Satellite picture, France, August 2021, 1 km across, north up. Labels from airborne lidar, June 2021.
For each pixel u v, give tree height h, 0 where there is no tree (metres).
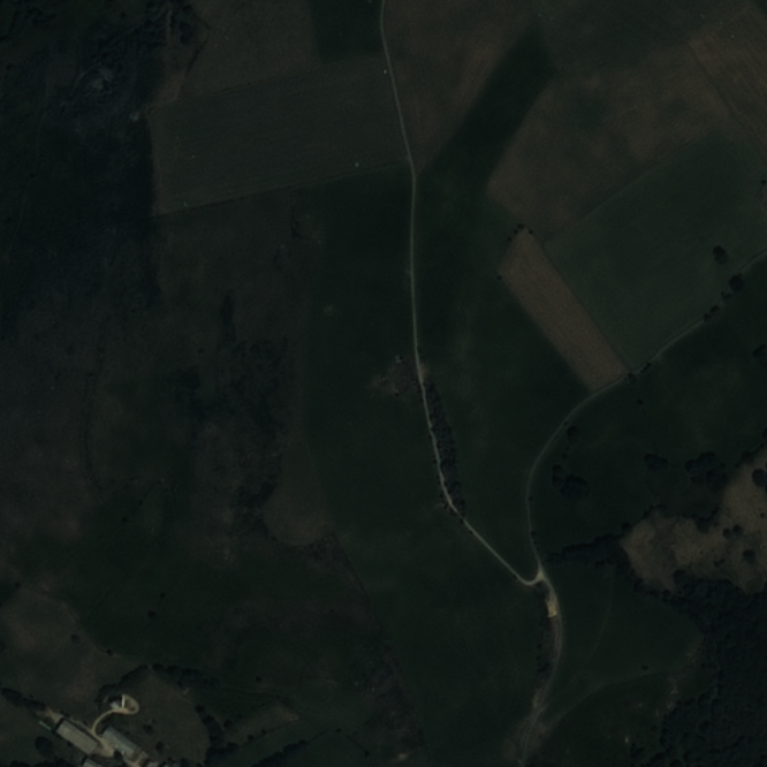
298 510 0
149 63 0
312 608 0
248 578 0
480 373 0
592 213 0
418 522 0
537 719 0
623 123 0
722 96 0
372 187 0
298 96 0
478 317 0
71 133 0
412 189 0
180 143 0
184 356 0
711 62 0
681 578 15
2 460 0
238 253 0
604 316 0
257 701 0
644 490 0
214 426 0
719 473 12
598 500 0
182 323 0
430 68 0
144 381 0
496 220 0
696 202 0
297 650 0
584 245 0
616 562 15
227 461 0
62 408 0
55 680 0
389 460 0
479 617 0
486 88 0
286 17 0
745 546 0
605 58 0
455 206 0
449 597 0
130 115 0
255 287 0
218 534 0
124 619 0
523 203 0
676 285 0
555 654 0
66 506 0
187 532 0
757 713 18
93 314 0
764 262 0
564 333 0
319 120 0
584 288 0
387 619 0
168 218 0
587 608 0
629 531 13
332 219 0
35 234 0
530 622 0
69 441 0
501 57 0
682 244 0
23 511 0
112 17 0
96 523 0
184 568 0
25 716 0
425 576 0
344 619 0
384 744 0
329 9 0
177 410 0
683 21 0
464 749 0
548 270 0
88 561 0
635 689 0
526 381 0
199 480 0
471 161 0
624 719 0
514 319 0
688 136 0
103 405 0
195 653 0
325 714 0
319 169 0
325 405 0
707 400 0
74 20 0
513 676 0
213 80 0
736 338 0
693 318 0
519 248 0
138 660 0
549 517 0
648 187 0
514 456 0
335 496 0
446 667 0
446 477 9
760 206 0
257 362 0
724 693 15
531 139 0
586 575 0
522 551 0
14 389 0
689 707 14
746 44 0
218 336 0
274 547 0
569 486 19
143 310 0
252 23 0
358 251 0
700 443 0
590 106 0
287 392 0
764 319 0
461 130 0
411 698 0
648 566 0
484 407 0
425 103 0
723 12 0
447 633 0
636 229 0
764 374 0
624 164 0
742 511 0
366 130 0
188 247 0
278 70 0
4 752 0
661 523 0
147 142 0
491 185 0
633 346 0
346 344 0
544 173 0
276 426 0
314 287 0
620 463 0
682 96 0
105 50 9
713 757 17
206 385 0
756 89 0
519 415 0
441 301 0
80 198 0
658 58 0
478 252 0
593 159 0
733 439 0
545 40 0
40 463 0
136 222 0
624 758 0
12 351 0
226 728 10
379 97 0
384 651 0
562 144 0
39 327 0
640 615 0
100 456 0
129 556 0
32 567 0
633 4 0
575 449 0
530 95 0
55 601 0
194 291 0
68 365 0
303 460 0
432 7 0
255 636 0
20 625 0
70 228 0
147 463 0
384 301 0
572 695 0
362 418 0
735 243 0
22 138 0
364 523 0
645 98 0
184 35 13
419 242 0
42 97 0
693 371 0
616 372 0
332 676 0
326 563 0
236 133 0
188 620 0
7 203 0
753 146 0
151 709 0
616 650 0
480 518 0
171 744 0
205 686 13
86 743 0
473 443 0
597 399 0
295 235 0
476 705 0
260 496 0
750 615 25
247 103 0
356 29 0
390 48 0
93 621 0
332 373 0
